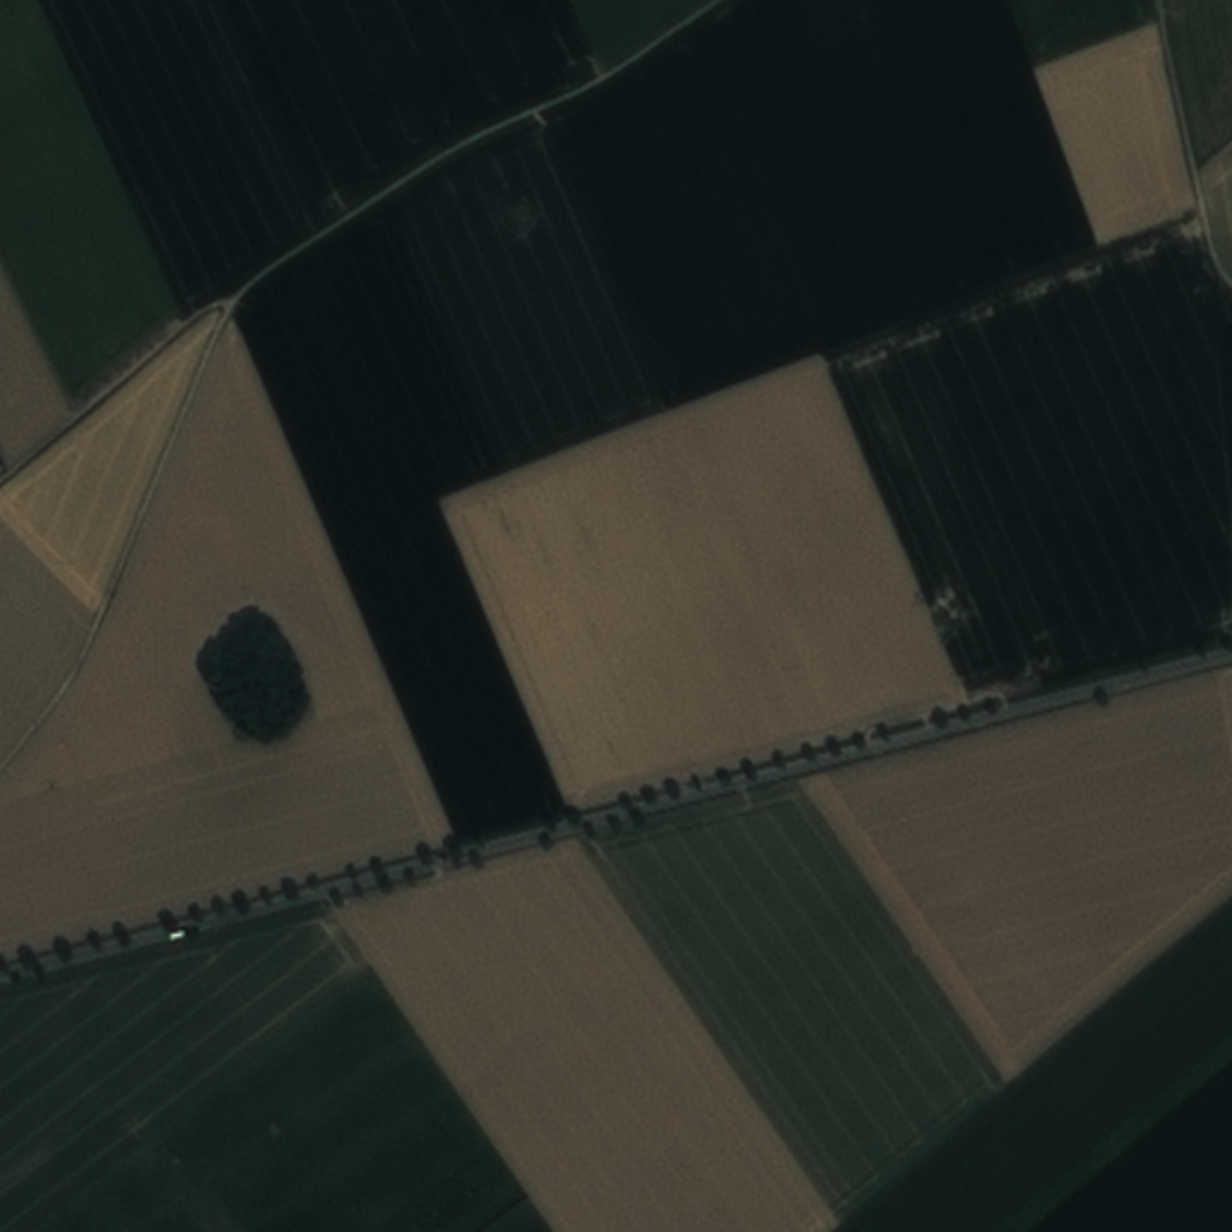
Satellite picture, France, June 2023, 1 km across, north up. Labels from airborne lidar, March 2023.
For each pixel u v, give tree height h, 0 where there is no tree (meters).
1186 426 0
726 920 0
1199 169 0
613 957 0
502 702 0
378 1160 0
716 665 0
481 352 0
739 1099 0
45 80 0
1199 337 0
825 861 0
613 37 0
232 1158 0
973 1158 0
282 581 0
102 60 0
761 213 0
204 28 0
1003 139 0
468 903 0
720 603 0
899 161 0
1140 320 0
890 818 0
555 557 0
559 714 0
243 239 0
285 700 19
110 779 0
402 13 0
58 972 0
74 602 0
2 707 0
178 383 0
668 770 0
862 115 0
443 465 0
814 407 0
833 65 0
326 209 0
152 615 0
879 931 0
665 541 0
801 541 0
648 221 0
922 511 0
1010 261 0
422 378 0
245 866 0
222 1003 0
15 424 0
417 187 0
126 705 0
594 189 0
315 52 0
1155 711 0
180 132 0
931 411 0
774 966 0
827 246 0
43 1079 0
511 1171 0
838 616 0
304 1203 0
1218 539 0
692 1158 0
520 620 0
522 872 0
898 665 0
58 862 0
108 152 0
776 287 0
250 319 0
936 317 0
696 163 0
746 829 0
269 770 0
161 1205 0
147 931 0
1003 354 0
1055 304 0
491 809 0
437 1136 0
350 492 0
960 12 0
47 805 0
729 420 0
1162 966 0
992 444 0
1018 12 0
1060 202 0
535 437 0
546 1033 0
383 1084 0
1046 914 0
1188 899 0
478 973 0
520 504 0
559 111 0
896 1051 0
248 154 0
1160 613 0
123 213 0
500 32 0
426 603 0
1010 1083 0
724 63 0
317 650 0
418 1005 0
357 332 0
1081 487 0
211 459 0
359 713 0
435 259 0
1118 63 0
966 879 0
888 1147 0
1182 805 0
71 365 0
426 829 0
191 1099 0
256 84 0
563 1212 0
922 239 0
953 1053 0
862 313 0
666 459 0
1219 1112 0
